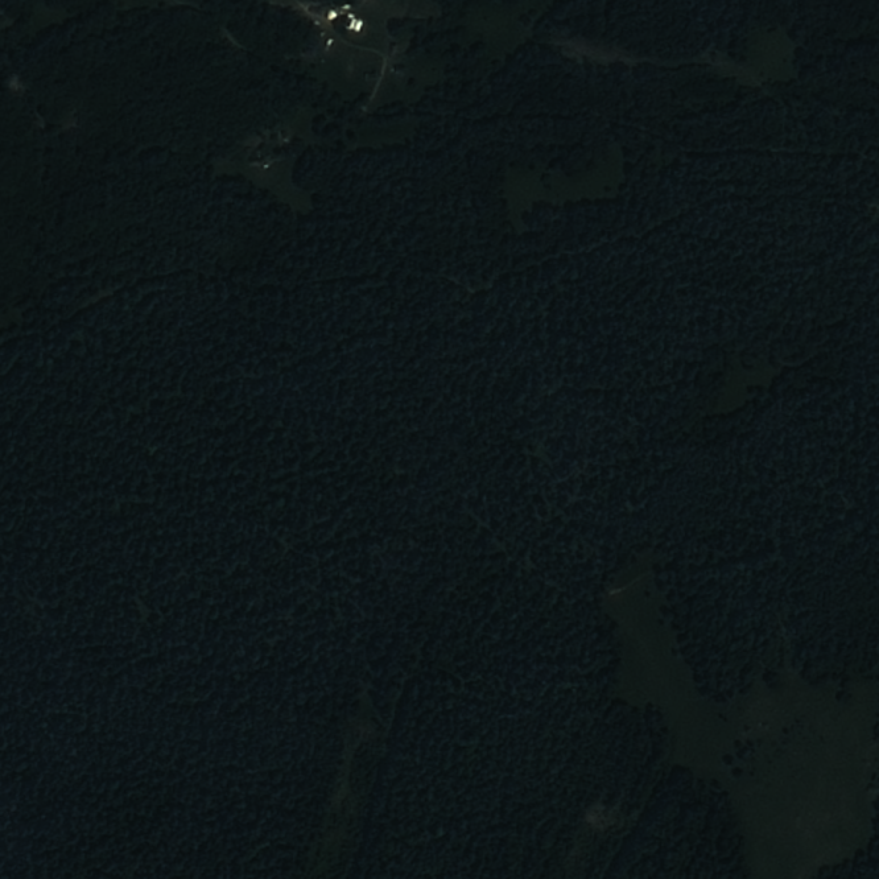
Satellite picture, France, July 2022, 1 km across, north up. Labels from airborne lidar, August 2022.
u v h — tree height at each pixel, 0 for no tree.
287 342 18
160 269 16
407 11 0
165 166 22
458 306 25
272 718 12
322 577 7
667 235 14
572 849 17
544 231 20
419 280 20
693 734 0
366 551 16
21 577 20
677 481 20
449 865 20
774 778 0
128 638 15
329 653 26
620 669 16
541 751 22
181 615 26
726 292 16
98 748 11
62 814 15
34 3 9
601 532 15
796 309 18
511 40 0
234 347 19
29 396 15
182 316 21
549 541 15
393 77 0
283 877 20
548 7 0
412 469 25
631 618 0
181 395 16
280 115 7
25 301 18
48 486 25
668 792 13
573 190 0
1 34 6
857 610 20
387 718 16
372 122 11
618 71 16
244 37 12
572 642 22
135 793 16
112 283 20
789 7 21
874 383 7
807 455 17
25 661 31
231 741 8
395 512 25
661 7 31
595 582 18
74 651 26
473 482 24
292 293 22
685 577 24
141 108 22
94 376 21
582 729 21
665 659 0
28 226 26
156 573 7
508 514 11
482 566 17
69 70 22
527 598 13
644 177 24
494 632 19
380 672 21
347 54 0
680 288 14
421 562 6
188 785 27
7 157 14
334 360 21
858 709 0
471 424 20
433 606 21
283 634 26
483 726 17
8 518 24
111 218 17
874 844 10
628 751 17
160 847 25
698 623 20
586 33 21
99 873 29
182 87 18
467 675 20
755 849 0
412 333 24
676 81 6
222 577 16
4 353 14
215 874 19
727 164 24
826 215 17
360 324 23
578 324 11
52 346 23
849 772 0
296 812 24
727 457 22
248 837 25
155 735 13
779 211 10
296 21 15
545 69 24
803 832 0
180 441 21
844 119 7
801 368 12
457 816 20
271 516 6
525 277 14
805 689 0
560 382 24
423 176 28
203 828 31
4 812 13
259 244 21
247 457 13
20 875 13
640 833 7
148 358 27
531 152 25
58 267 19
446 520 20
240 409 23
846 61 24
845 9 23
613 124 10
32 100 18
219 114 18
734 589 17
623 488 11
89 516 21
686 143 20
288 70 8
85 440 20
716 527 13
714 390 16
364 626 25
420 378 22
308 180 23
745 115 23
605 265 20
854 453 10
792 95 6
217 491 16
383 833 23
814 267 19
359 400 18
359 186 27
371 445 21
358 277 13
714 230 28
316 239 16
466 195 28
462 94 19
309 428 19
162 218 18
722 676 18
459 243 15
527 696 20
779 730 0
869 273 22
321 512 22
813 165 11
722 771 0
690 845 17
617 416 27
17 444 12
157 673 23
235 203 18
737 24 25
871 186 19
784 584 24
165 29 19
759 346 18
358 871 13
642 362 12
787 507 12
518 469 32
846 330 22
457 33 12
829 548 24
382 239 24
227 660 30
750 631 24
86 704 9
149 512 17
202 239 15
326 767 14
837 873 8
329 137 13
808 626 23
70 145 24
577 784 14
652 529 15
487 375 28
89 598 16
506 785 26
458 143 25
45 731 17
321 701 23
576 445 25
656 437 18
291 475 13
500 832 23
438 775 24
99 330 10
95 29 10
